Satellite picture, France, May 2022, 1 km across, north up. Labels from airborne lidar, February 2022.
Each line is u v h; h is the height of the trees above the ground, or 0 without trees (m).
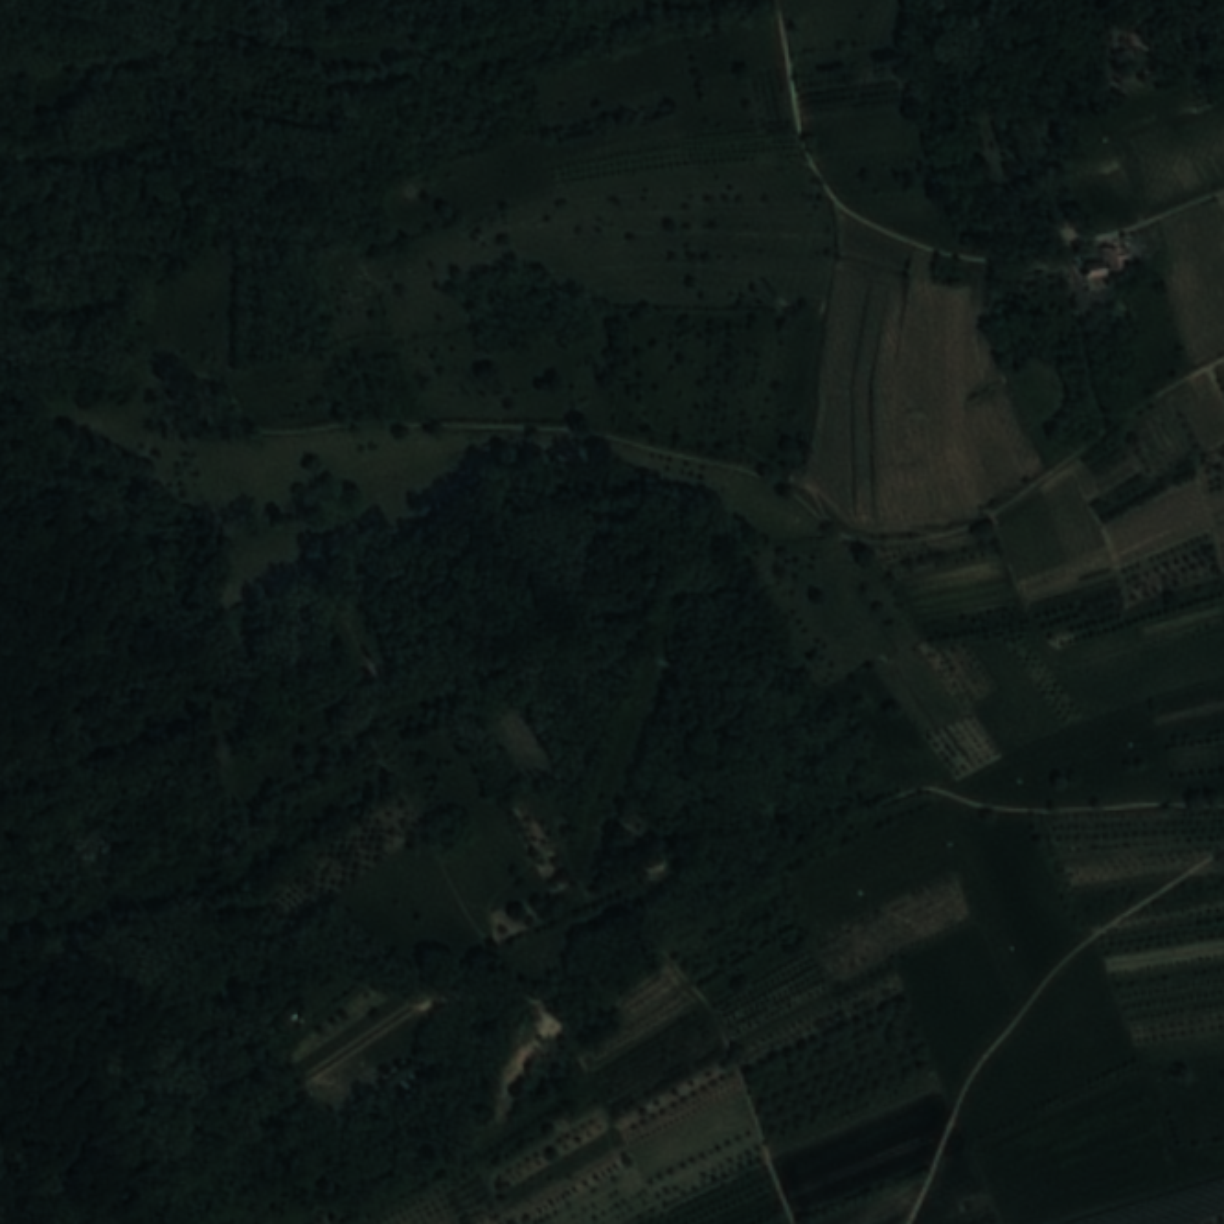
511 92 13
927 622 0
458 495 20
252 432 23
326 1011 0
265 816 15
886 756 0
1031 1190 0
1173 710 0
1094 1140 0
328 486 17
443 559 25
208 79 7
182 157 21
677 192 0
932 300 0
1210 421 0
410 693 18
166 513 34
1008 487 0
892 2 0
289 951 20
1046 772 0
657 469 0
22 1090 30
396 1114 19
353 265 0
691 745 28
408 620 26
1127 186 0
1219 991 0
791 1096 7
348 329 0
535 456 25
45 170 24
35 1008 29
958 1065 0
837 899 0
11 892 28
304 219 18
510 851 0
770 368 0
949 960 0
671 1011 0
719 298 0
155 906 20
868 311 0
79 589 35
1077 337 6
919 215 0
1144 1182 0
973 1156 0
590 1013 15
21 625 35
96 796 22
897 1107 0
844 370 0
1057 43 21
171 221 22
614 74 0
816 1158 0
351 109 18
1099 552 0
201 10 19
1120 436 6
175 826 12
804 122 0
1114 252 0
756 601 27
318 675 25
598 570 21
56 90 0
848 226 0
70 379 22
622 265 0
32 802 22
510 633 25
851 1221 0
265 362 14
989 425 0
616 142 0
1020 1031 0
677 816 17
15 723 34
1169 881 0
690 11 9
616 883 14
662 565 20
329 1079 0
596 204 0
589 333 21
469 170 0
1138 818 0
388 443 0
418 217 0
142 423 0
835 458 0
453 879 0
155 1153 27
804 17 0
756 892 16
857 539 0
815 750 8
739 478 0
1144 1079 0
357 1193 22
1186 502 0
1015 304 8
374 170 17
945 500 0
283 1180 24
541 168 0
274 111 6
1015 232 15
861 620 0
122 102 22
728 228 0
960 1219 0
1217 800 9
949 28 21
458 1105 23
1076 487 0
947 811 0
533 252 0
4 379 33
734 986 8
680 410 0
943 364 0
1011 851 0
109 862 24
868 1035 7
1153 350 0
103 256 31
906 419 0
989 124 11
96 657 34
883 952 0
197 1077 24
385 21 19
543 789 18
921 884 0
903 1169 0
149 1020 23
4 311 26
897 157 0
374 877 0
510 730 22
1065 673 0
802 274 0
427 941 0
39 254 22
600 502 30
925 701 0
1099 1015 0
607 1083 0
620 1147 0
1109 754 0
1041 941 0
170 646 30
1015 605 0
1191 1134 0
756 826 21
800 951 8
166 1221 25
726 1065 8
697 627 24
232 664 25
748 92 0
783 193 0
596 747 20
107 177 26
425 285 0
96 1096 29
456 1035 19
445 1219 0
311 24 24
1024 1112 0
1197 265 0
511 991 12
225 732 0
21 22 22
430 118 14
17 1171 30
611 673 8
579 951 17
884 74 7
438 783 11
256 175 14
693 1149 0
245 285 11
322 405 11
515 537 27
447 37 12
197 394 21
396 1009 0
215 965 20
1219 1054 0
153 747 30
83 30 26
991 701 0
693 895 19
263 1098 25
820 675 0
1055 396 0
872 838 0
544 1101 12
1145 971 0
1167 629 0
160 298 0
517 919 11
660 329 0
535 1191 0
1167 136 0
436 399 0
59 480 25
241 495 0
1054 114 14
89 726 25
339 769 7
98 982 31
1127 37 0
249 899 18
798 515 0
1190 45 15
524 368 0
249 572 0
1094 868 0
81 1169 34
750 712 20
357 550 22
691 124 0
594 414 0
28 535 36
